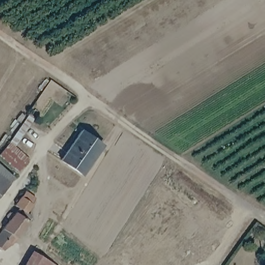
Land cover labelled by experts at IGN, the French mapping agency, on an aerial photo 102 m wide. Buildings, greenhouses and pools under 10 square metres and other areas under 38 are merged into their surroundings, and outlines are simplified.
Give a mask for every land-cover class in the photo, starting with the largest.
<instances>
[{"label":"agricultural land","instance_id":"1","mask_svg":"<svg viewBox=\"0 0 265 265\"><path fill-rule=\"evenodd\" d=\"M0 29L38 57L65 72L89 93L114 109L117 115L113 120L115 127L110 131L111 138L108 141L102 140L106 148L102 150L87 175L84 178L80 177L76 186L67 187L61 184L48 173L47 155L36 164L37 177L39 184L35 194L36 202L33 217L30 219L32 225L19 238L9 237L13 244L18 243L20 252L24 255L19 265H26L33 253L45 257L55 265H95L97 256L89 252L83 244L87 239L95 242L100 238L112 244L163 165L164 159L144 146V142L117 123L123 116L156 142L180 155L202 138L209 136L212 131L265 100V0H143L124 10L115 19H109L106 24L97 26L95 31L54 56H50L45 47H36L33 40L27 36L23 37L19 31H12L8 24L0 21ZM13 50L0 39V80L14 59L11 55Z\"/></svg>","mask_w":265,"mask_h":265},{"label":"herbaceous vegetation","instance_id":"2","mask_svg":"<svg viewBox=\"0 0 265 265\"><path fill-rule=\"evenodd\" d=\"M11 55L14 59L0 80V154L18 134L29 115L34 117L35 122L25 132L18 145L27 152L35 143L28 137V132L34 135V129L38 128L49 132L59 121V116L76 104L78 97L67 85L53 78L48 71L13 50ZM265 107V100L212 131L209 136L202 138L180 155L224 184L247 203L265 211V137L238 152L223 165L213 168V164L247 140L265 131V125L204 163L202 158L265 120V112L199 154L193 156L192 152ZM115 127L113 120L98 110L88 108L62 130L47 155L48 173L61 184L67 187L76 186L80 177L76 172L61 166V158L81 130H87L96 139L108 141L111 138L110 131ZM144 146L164 159L163 165L112 244L100 238L95 242L87 239L83 244L89 252L97 256L95 265H196L206 261L213 253L212 246L215 245L217 249L223 240L227 225L232 220V205L223 194L217 198L209 195L201 184L195 183L182 173L178 164L144 142ZM19 202L14 199L13 206L5 213L0 227V233L17 213L28 218L24 210L18 208ZM228 265H265V261L259 264L256 254L244 251L243 247L238 249Z\"/></svg>","mask_w":265,"mask_h":265},{"label":"pervious surface","instance_id":"3","mask_svg":"<svg viewBox=\"0 0 265 265\"><path fill-rule=\"evenodd\" d=\"M0 39L13 50L48 71L53 78L67 85L78 97L76 104L59 116V121L49 132L38 128L34 129V135L28 132V137L35 143L27 152L30 159L28 166L0 199V227L5 213L13 206L14 199L19 190L29 183L31 177H37L36 164L47 155L62 130L88 108L98 110L113 120L117 115L114 109L89 93L65 72L38 57L0 29ZM117 123L144 142L178 164L182 173L195 183L201 184L209 195L217 198L223 194L232 205V220L227 225L223 240L217 249L215 245L212 246L213 253L206 261L196 265H220L253 219L260 220L265 225V211L247 203L224 184L180 155L156 142L123 116ZM24 255L20 252L18 243L13 244L7 249H0V265H19Z\"/></svg>","mask_w":265,"mask_h":265},{"label":"deciduous trees","instance_id":"4","mask_svg":"<svg viewBox=\"0 0 265 265\"><path fill-rule=\"evenodd\" d=\"M143 0H0V21L8 24L12 31H19L23 37L27 36L33 40L36 47H45L50 56H54L95 31L97 26L106 24L109 19H115L124 10ZM265 112V107L192 152L193 156L199 154ZM265 125V120L202 158L204 163ZM265 137V131L247 140L213 164V168L223 165L238 152ZM39 184L37 177H31L29 183L19 190L14 199L19 202L26 193L35 194ZM243 247L244 251L256 254L259 264L265 261V241L249 237L244 239Z\"/></svg>","mask_w":265,"mask_h":265},{"label":"building","instance_id":"5","mask_svg":"<svg viewBox=\"0 0 265 265\"><path fill-rule=\"evenodd\" d=\"M35 122L34 117L29 115L18 134L0 154V199L28 166L30 159L27 152L18 145L25 132ZM106 148L102 140L96 139L87 130H81L61 158V166L76 172L80 177L84 178L87 175L102 150ZM36 202L35 194L26 193L19 202L18 208L24 210L28 218L17 213L0 233V249H7L13 244L9 237L19 238L32 225L30 219L33 217ZM26 265H55L45 257L33 253Z\"/></svg>","mask_w":265,"mask_h":265},{"label":"brushwood","instance_id":"6","mask_svg":"<svg viewBox=\"0 0 265 265\"><path fill-rule=\"evenodd\" d=\"M249 237L265 241V225L260 220L253 219L220 265H228L238 249L243 247L244 239Z\"/></svg>","mask_w":265,"mask_h":265}]
</instances>
